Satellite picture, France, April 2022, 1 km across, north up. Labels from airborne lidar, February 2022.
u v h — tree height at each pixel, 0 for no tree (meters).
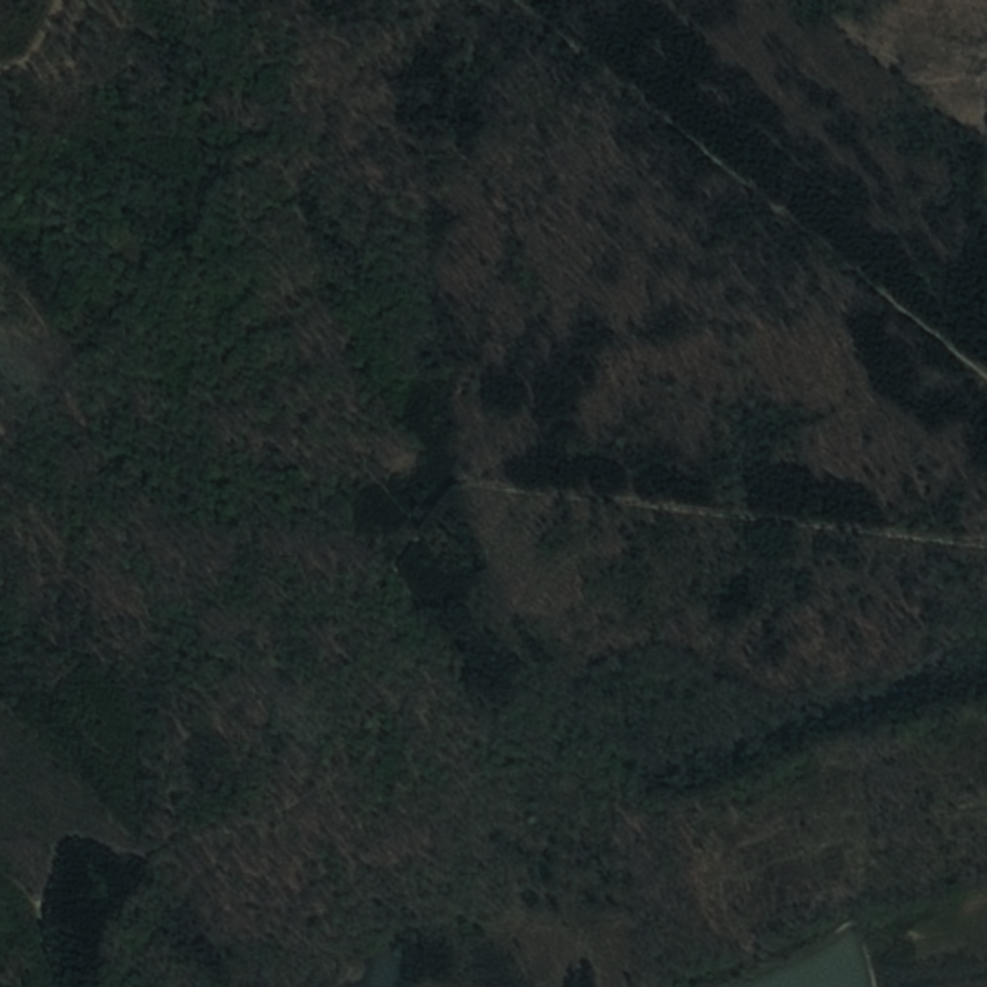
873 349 22
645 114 25
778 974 0
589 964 0
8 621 22
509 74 29
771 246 25
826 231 29
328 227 22
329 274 28
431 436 9
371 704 29
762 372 11
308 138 33
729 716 25
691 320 22
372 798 28
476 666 29
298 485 24
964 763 0
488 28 25
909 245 22
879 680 21
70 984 31
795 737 30
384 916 23
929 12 0
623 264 24
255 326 29
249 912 24
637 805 23
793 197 28
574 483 25
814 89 21
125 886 19
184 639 28
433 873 26
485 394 12
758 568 22
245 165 28
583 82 29
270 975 23
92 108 14
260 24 22
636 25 27
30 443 20
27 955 26
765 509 23
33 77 8
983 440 20
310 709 32
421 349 22
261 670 32
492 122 27
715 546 14
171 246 19
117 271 28
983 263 26
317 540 30
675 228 27
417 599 10
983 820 0
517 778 20
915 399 19
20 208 30
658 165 28
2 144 26
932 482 28
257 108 29
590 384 27
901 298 23
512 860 25
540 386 21
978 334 28
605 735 23
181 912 27
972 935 0
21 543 28
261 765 30
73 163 19
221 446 29
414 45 27
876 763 30
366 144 30
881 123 17
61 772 19
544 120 29
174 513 26
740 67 19
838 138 27
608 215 24
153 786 28
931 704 28
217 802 23
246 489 30
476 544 25
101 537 31
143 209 25
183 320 30
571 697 24
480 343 19
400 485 9
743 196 26
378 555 27
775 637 27
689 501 14
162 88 10
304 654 30
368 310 26
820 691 20
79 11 35
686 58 26
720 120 25
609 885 22
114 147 13
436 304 22
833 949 0
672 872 27
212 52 26
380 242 27
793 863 0
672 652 20
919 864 26
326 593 30
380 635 29
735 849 0
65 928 19
